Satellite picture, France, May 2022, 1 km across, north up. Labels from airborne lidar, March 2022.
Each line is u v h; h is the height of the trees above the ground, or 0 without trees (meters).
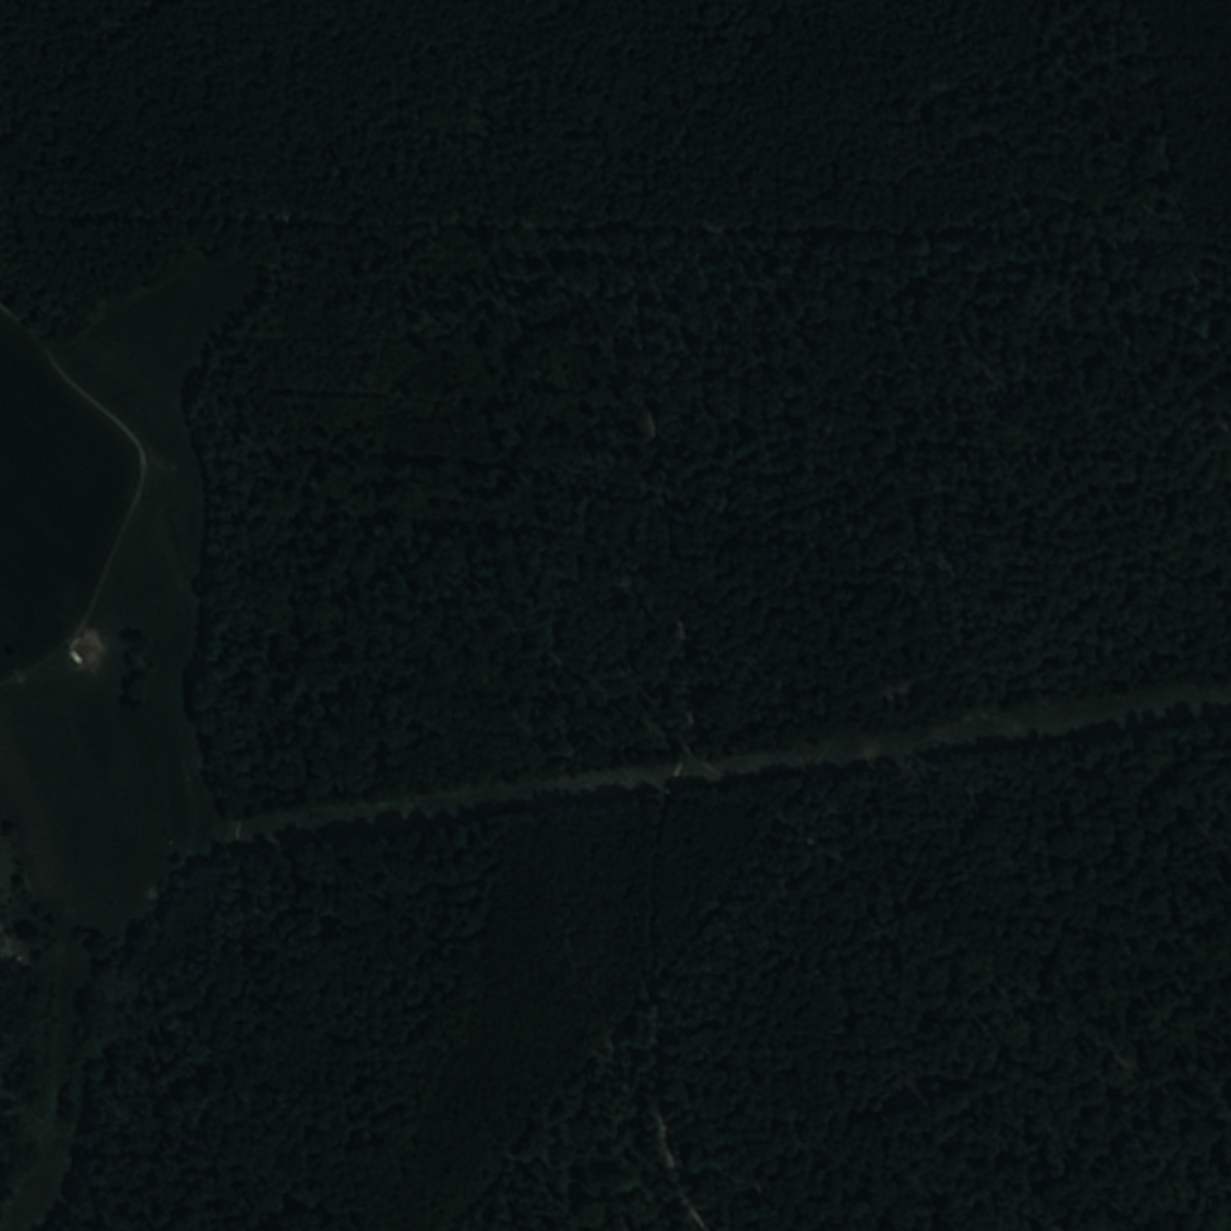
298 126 23
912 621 29
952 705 21
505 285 30
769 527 31
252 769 27
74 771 0
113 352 0
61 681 0
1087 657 30
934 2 20
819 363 31
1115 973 33
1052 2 24
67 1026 0
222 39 24
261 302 16
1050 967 34
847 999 30
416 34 21
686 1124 30
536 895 19
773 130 22
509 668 25
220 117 24
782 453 28
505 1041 16
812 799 28
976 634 28
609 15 23
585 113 23
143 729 0
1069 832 31
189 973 28
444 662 30
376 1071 29
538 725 26
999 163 22
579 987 20
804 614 32
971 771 21
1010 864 26
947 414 23
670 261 27
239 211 17
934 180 22
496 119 17
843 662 31
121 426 0
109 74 25
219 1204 31
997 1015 36
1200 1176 34
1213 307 28
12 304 19
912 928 33
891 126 21
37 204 25
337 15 22
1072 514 32
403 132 22
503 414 27
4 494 0
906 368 27
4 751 0
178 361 0
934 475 27
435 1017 31
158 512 0
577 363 7
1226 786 35
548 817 18
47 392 0
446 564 35
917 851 26
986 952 31
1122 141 26
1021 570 27
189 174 23
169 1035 28
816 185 21
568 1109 26
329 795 30
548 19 21
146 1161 29
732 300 32
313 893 31
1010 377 23
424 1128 19
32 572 0
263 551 27
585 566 32
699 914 13
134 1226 30
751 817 13
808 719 28
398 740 31
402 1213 21
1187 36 20
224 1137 32
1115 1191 34
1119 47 30
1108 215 23
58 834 0
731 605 30
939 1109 32
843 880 31
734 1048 27
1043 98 15
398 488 29
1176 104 17
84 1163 27
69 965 0
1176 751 33
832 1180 31
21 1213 0
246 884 28
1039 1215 38
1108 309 32
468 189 26
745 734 25
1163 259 27
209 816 0
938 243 29
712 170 21
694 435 31
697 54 23
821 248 27
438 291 30
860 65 23
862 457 23
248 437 29
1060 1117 33
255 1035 36
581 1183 27
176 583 0
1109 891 33
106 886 0
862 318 31
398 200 24
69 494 0
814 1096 30
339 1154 32
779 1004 25
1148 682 28
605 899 19
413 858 29
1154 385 33
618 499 31
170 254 21
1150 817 32
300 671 34
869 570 29
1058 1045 37
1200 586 33
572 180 22
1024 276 37
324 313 13
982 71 11
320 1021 31
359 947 34
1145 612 33
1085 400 34
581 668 28
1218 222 17
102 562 0
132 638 17
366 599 34
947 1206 33
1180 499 30
